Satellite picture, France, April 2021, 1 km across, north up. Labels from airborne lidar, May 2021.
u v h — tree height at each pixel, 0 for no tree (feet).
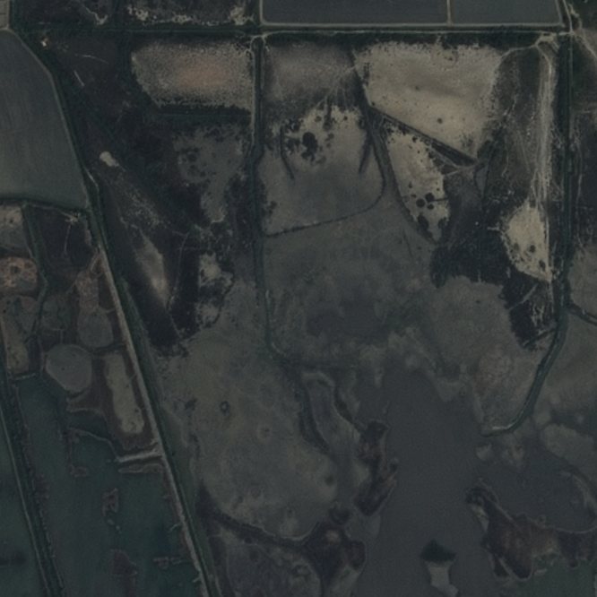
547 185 0
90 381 0
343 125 0
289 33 0
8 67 0
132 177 0
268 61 0
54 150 0
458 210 0
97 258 0
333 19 0
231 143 0
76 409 0
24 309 0
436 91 0
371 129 0
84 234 0
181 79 0
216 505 0
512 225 0
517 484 0
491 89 0
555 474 0
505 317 0
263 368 0
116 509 0
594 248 0
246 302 0
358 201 0
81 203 0
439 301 0
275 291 0
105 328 0
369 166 0
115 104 0
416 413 0
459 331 0
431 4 0
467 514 0
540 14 0
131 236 0
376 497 0
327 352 0
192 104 0
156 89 0
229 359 0
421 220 0
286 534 0
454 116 0
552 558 0
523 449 0
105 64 0
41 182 0
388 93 0
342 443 0
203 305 0
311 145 0
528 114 0
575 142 0
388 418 0
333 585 0
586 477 0
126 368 0
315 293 0
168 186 0
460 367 0
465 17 0
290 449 0
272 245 0
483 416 0
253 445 0
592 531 0
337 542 0
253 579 0
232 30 0
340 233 0
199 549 0
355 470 0
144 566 0
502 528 0
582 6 0
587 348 0
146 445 0
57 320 0
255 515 0
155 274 0
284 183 0
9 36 0
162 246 0
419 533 0
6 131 0
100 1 0
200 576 0
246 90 0
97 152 0
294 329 0
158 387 0
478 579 0
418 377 0
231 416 0
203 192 0
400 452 0
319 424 0
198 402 0
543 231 0
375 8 0
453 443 0
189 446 0
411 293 0
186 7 0
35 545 0
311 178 0
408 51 0
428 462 0
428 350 0
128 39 23
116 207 0
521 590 0
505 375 0
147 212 0
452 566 0
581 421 0
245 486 0
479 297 0
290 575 0
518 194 0
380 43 0
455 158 0
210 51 0
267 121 0
